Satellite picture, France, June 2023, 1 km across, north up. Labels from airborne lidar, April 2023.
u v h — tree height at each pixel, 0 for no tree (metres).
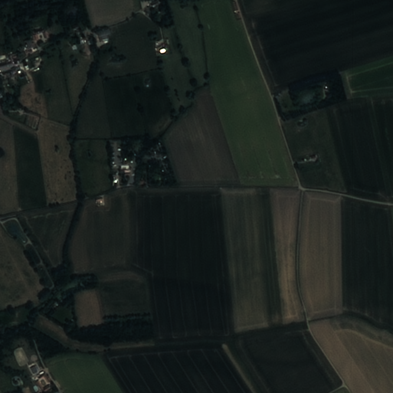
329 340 0
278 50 0
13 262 0
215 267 0
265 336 0
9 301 0
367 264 0
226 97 0
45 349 14
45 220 0
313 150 0
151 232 0
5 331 10
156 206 0
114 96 0
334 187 0
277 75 0
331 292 0
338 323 0
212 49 0
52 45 6
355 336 0
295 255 0
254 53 0
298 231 0
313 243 0
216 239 0
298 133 0
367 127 0
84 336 19
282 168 0
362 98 0
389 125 0
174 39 0
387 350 0
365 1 0
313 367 0
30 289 0
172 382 0
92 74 11
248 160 0
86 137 0
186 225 0
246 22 0
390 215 0
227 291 0
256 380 0
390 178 0
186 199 0
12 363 0
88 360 0
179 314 0
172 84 0
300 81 0
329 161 0
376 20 0
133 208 0
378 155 0
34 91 0
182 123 0
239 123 0
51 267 0
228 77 0
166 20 16
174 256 0
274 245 0
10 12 0
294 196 0
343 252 0
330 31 0
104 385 0
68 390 0
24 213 0
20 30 18
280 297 0
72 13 10
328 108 0
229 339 0
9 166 0
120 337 15
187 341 0
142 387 0
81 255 0
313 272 0
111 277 0
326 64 0
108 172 0
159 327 0
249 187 0
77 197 14
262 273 0
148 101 0
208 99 0
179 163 0
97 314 0
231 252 0
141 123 0
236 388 0
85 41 0
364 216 0
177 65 0
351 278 0
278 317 0
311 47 0
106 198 0
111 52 12
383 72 0
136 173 12
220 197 0
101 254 0
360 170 0
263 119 0
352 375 0
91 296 0
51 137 0
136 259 0
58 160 0
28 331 12
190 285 0
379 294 0
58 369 0
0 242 0
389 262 0
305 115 0
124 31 0
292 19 0
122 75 0
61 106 0
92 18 0
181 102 0
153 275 0
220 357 0
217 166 0
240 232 0
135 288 0
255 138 0
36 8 12
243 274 0
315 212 0
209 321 0
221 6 0
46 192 0
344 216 0
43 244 0
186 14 0
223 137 0
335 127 0
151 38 11
